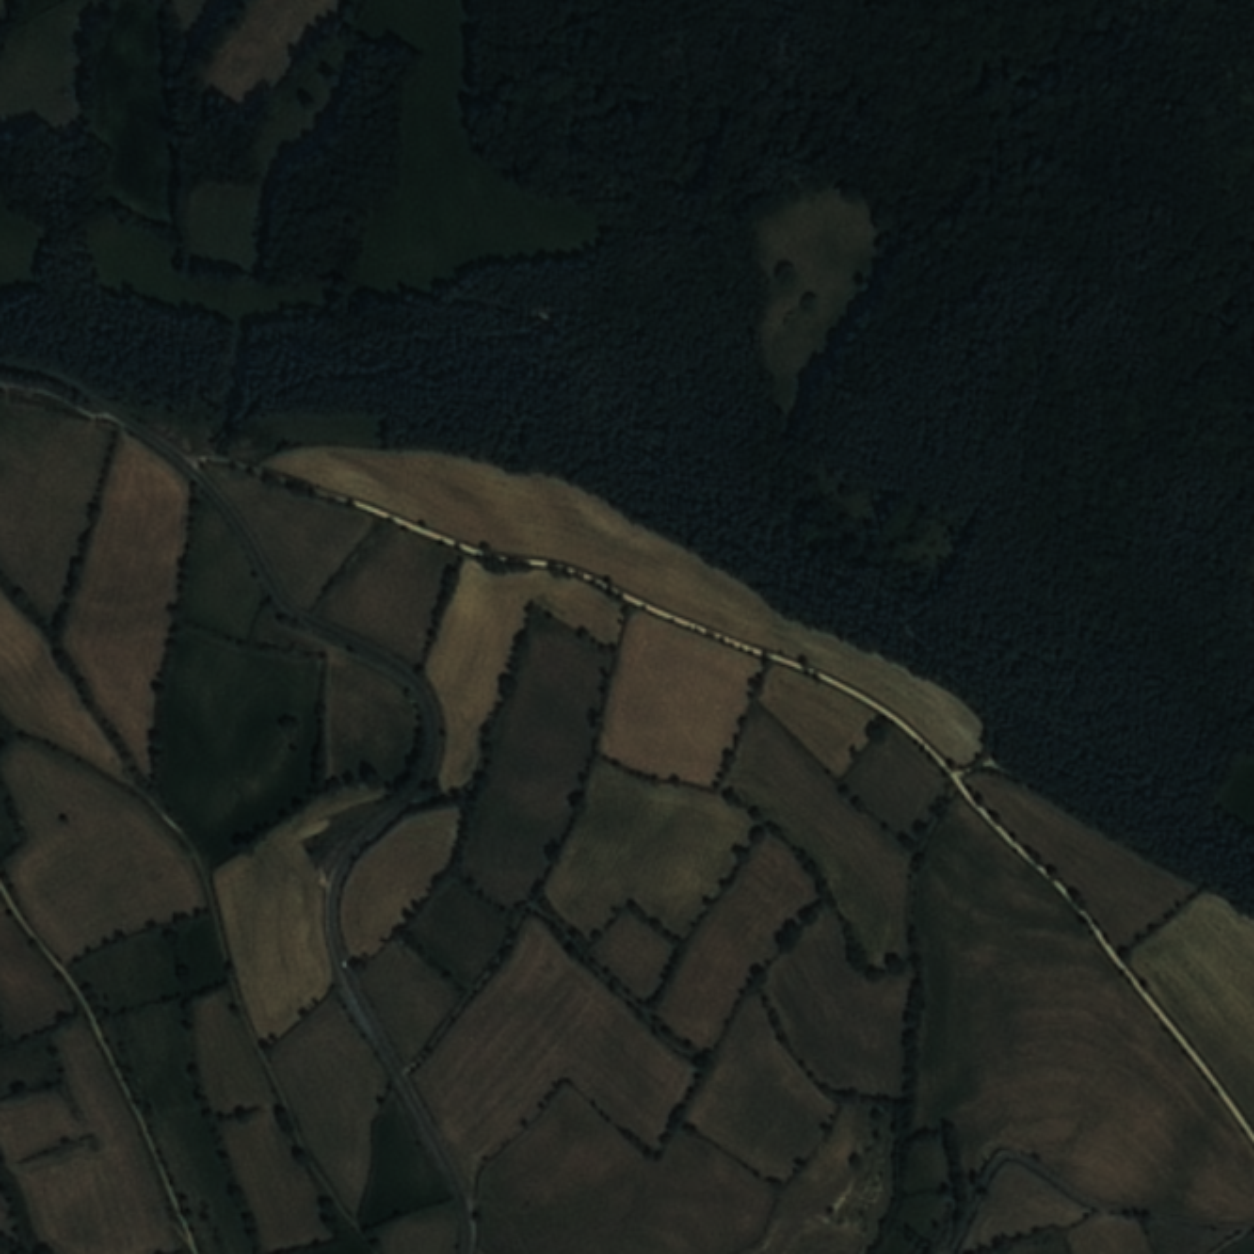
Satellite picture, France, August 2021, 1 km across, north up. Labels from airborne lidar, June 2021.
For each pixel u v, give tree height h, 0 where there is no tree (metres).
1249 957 0
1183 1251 0
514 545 0
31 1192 0
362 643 0
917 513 6
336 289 16
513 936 10
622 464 15
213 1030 0
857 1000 0
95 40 16
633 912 11
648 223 17
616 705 0
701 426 17
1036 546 12
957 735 0
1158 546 15
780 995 0
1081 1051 0
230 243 0
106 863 0
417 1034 0
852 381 23
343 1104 0
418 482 0
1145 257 28
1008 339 26
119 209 17
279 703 0
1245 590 16
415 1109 0
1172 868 8
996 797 0
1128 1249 0
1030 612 18
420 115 0
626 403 13
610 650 9
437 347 14
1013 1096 0
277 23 0
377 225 0
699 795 0
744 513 16
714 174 23
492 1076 0
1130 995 0
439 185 0
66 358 15
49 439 0
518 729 0
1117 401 26
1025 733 13
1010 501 18
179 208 19
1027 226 25
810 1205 0
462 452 12
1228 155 21
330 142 23
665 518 14
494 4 19
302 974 0
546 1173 0
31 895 0
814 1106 0
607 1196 0
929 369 23
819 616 14
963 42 29
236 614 0
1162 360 28
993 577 17
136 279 0
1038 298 28
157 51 0
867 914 0
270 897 0
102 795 0
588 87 33
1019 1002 0
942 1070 0
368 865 0
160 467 0
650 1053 0
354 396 13
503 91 24
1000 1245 13
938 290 27
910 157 18
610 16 25
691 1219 0
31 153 23
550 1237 0
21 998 0
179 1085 0
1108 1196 0
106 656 0
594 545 0
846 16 22
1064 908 0
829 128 17
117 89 0
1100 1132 0
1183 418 29
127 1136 0
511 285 14
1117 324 26
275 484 10
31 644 0
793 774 0
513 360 12
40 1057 0
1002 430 20
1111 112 27
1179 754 14
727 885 8
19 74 0
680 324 15
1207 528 15
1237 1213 0
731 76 18
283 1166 0
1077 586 16
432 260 0
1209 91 24
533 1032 0
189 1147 0
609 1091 0
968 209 31
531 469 11
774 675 0
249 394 11
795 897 0
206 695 0
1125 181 25
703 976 0
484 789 7
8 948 0
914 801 0
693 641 0
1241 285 36
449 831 0
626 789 0
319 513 0
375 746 0
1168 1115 0
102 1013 9
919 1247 6
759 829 7
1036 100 31
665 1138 8
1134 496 21
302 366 15
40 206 19
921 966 10
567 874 0
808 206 0
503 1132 0
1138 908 0
